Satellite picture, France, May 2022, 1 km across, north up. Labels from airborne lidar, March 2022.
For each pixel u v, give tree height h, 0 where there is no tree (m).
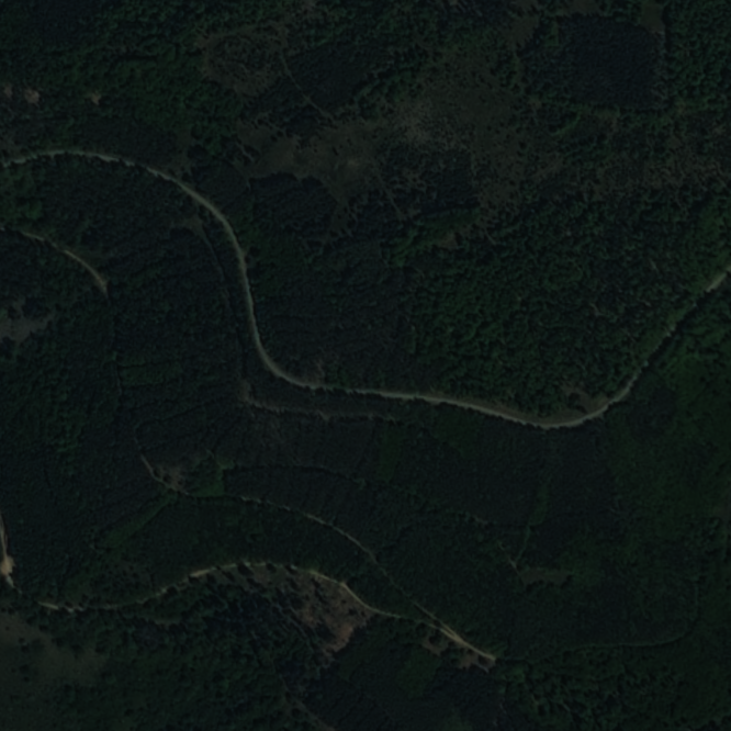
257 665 16
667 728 13
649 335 21
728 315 31
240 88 0
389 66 6
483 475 17
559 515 19
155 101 16
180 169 23
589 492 18
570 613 18
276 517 14
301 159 0
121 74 16
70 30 14
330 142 0
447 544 13
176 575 15
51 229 17
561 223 20
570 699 14
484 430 19
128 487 23
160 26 20
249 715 16
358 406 22
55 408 12
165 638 30
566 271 22
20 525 14
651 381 19
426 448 20
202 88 14
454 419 15
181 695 9
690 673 16
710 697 9
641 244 21
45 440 12
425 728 18
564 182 8
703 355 23
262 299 16
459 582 12
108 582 8
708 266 23
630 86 15
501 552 12
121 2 20
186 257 21
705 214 20
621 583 15
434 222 19
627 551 13
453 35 19
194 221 0
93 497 19
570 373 24
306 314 19
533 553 14
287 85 10
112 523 17
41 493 16
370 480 18
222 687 21
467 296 20
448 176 7
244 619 34
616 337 24
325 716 22
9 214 20
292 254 16
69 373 17
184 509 17
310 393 16
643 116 16
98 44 11
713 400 14
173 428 20
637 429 21
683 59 21
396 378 19
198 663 18
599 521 19
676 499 15
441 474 20
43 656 0
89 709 11
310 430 24
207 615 10
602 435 20
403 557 17
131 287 24
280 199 24
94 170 25
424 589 17
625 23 10
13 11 17
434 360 23
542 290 24
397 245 16
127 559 12
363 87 18
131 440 17
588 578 15
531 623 21
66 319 16
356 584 14
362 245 19
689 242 23
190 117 16
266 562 11
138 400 18
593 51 9
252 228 19
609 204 6
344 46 11
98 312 20
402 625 10
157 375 17
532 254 25
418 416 19
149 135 25
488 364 23
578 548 17
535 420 0
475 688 14
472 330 18
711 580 16
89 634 22
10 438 13
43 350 11
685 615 14
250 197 19
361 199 9
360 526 19
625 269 22
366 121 20
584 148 11
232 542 16
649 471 19
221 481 16
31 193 9
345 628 9
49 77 15
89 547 9
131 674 10
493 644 13
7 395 11
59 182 24
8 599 12
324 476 20
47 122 25
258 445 20
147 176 20
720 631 17
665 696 11
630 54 14
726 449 14
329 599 9
